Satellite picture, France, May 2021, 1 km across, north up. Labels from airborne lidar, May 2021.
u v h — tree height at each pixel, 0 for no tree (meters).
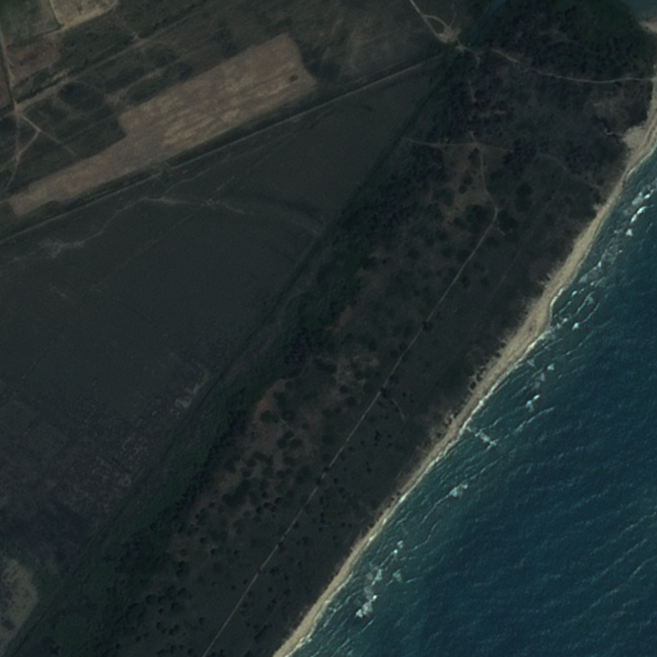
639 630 0
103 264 0
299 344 23
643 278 0
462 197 0
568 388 0
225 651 9
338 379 0
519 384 0
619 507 0
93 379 0
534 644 0
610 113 0
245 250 0
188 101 0
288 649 0
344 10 0
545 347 0
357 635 0
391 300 0
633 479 0
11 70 0
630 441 0
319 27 0
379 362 0
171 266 0
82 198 0
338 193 0
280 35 0
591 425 0
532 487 0
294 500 0
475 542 0
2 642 0
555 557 0
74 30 0
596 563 0
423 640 0
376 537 0
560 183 0
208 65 0
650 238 0
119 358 0
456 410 0
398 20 0
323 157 0
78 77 0
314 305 9
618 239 0
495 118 12
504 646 0
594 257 0
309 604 0
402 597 0
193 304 0
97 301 0
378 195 8
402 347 7
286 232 0
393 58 0
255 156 0
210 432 6
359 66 0
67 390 0
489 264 0
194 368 0
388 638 0
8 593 0
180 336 0
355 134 0
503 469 0
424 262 0
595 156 10
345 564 0
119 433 0
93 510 0
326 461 0
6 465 0
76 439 0
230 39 0
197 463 7
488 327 0
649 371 0
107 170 0
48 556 0
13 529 0
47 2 0
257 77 0
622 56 20
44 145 0
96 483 0
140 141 0
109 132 0
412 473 0
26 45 0
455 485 0
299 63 0
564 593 0
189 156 0
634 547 0
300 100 0
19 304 0
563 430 0
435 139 20
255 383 7
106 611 8
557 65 22
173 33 0
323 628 0
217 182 0
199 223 0
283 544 14
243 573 0
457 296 0
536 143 12
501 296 0
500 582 0
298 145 0
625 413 0
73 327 0
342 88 0
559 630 0
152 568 7
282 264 0
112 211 0
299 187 0
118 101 0
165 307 0
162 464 6
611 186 0
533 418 0
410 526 0
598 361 0
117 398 0
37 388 0
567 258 0
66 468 0
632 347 0
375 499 0
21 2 0
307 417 0
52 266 0
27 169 0
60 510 0
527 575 0
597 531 0
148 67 0
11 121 0
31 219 0
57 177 0
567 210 0
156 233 0
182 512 15
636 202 0
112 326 0
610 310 0
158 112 0
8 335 0
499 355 0
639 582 0
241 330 0
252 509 0
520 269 0
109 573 6
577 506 0
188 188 0
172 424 0
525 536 0
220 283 0
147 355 0
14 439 0
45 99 0
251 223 0
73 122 0
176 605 12
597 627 0
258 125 0
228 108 0
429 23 0
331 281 7
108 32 0
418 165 7
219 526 0
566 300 0
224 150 0
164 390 0
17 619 0
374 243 11
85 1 0
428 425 0
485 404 0
